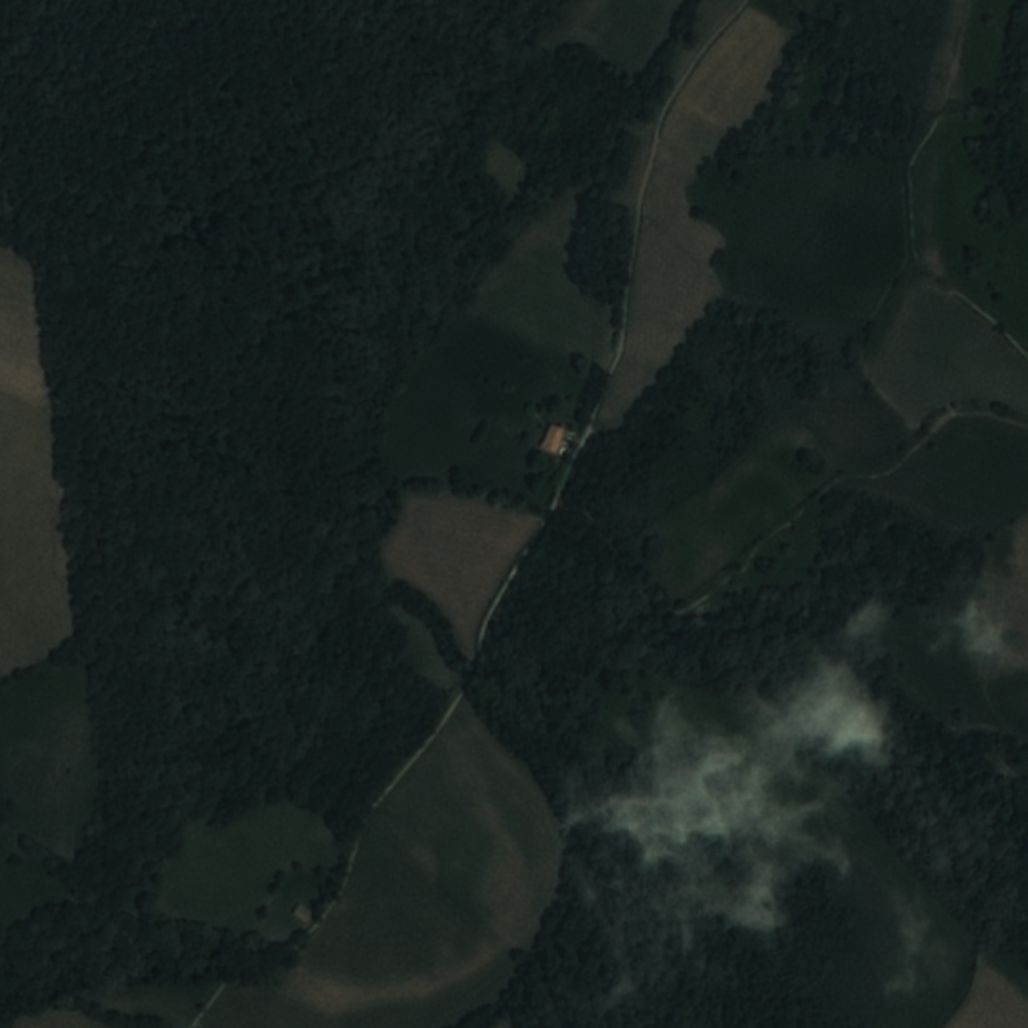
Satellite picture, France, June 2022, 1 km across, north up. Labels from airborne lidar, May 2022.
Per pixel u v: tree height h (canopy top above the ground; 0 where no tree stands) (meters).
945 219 0
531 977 20
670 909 16
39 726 0
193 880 0
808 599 12
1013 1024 0
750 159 13
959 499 0
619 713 0
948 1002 0
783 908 23
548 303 0
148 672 22
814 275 0
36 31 11
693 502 0
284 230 26
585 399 0
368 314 30
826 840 0
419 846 0
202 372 21
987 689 0
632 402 0
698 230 0
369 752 23
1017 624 0
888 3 0
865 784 11
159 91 23
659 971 22
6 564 0
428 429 0
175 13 27
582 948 7
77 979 12
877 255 0
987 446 0
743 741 0
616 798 26
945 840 8
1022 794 22
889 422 0
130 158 24
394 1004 0
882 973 0
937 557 17
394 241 33
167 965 26
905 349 0
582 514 11
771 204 0
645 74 12
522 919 0
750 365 7
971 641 0
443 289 29
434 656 0
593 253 29
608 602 21
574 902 19
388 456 0
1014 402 0
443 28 15
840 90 18
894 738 17
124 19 27
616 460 14
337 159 27
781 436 0
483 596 0
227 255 36
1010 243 0
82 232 23
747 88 0
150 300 24
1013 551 0
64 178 16
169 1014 0
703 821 26
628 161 18
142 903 17
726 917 24
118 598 22
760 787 0
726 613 13
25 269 0
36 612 0
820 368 17
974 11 0
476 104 21
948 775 11
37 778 0
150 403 29
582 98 24
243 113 26
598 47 0
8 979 22
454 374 0
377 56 18
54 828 0
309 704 29
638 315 0
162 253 28
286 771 14
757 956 14
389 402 11
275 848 0
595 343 0
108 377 30
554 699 17
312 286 29
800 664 9
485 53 26
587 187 15
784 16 0
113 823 11
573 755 21
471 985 0
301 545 30
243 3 23
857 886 0
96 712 9
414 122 28
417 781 0
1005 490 0
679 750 17
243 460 27
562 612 8
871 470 0
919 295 0
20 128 24
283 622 27
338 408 30
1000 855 21
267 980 7
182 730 27
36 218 21
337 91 29
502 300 0
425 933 0
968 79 0
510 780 0
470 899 0
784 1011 17
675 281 0
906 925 0
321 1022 0
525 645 6
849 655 16
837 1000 0
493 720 14
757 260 0
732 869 15
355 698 21
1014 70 13
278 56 26
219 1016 0
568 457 8
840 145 19
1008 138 20
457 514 0
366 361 27
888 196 0
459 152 26
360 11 29
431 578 0
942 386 0
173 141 26
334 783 25
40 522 0
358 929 0
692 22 17
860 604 18
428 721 21
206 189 30
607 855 20
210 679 24
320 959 0
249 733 23
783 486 0
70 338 20
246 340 13
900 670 10
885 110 23
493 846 0
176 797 24
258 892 0
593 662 10
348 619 21
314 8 28
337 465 35
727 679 10
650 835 22
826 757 7
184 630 29
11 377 0
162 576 23
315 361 27
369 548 27
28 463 0
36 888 0
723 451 8
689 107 0
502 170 0
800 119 0
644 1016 26
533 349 0
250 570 28
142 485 26
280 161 31
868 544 16
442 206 28
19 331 0
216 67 26
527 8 19
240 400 26
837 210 0
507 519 0
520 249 0
